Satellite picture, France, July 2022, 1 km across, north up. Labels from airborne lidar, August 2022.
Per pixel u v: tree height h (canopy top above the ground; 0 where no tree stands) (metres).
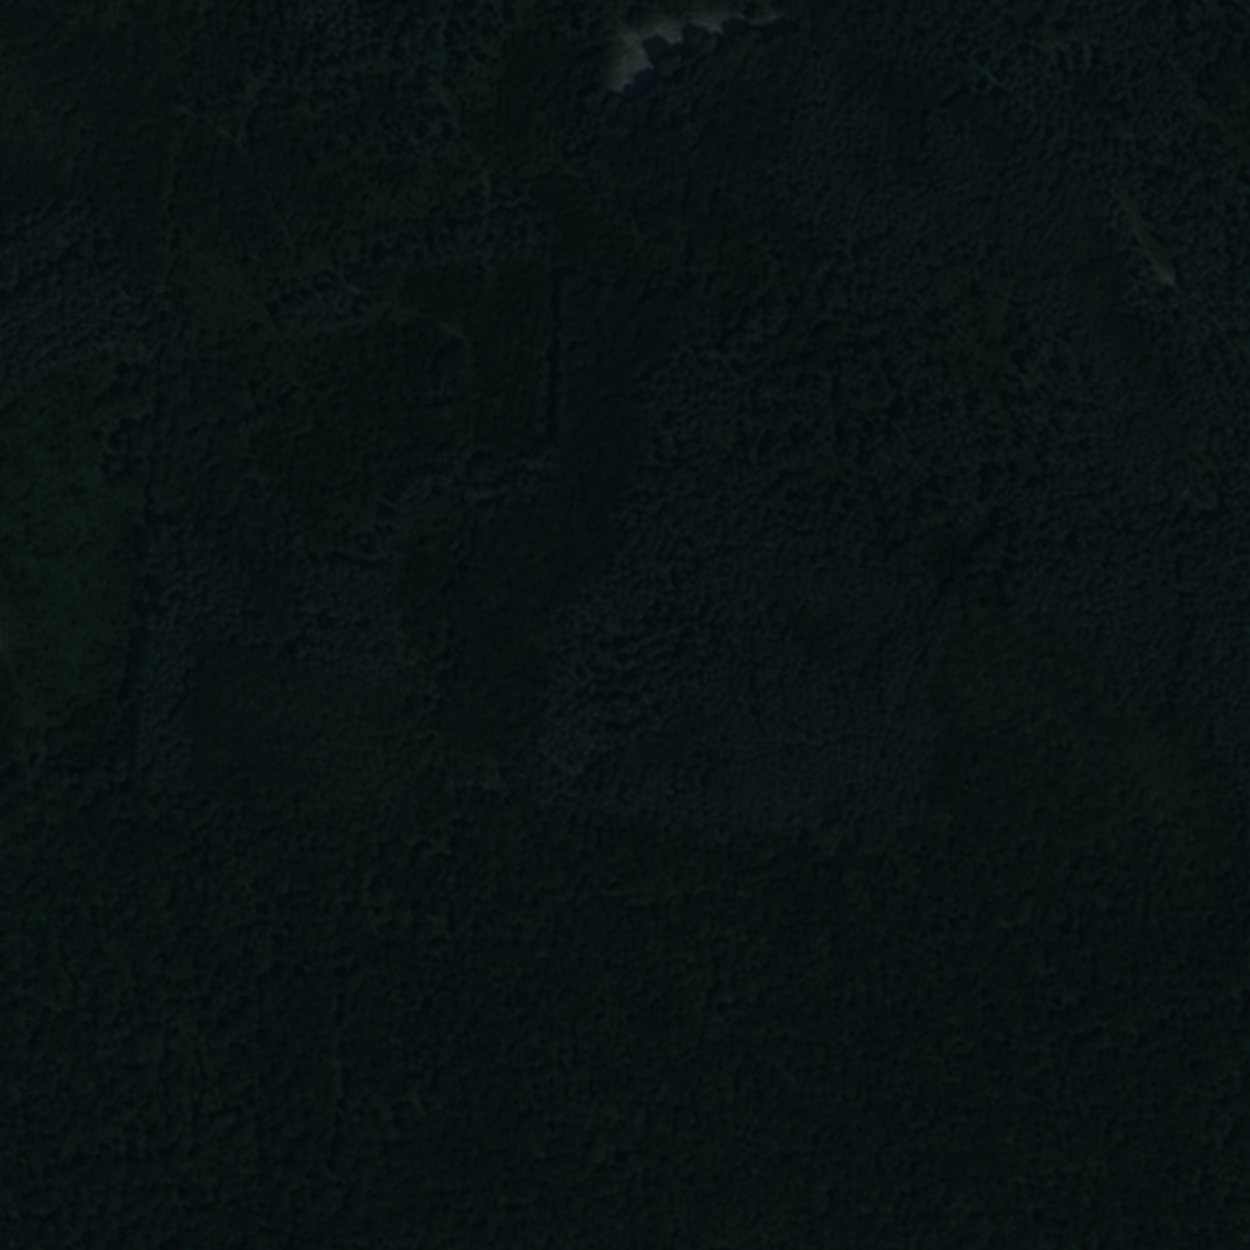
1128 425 23
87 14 18
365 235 9
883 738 26
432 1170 19
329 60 9
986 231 24
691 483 18
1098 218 26
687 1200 18
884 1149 18
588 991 22
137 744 27
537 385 9
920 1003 20
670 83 22
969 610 19
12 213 17
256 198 13
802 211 25
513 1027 18
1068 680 17
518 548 20
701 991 20
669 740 14
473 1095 20
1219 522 30
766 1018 22
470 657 23
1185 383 34
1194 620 34
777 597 18
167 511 20
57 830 18
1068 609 30
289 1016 22
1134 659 29
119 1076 19
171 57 17
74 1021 20
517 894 14
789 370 13
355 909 18
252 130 15
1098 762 12
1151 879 20
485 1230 20
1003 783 22
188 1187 22
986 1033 16
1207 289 24
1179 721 24
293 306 22
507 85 7
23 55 13
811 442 27
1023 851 20
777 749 26
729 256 11
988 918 18
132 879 17
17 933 19
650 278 9
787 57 21
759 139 20
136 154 19
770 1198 21
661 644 27
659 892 19
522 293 7
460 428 12
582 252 7
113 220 17
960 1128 19
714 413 24
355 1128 20
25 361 19
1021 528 28
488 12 7
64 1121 15
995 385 11
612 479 22
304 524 8
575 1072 21
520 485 24
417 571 10
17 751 15
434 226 9
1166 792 11
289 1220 17
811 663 28
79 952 21
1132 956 19
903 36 28
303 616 26
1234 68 22
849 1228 21
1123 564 30
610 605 23
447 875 18
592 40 9
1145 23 34
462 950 17
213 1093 19
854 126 28
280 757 16
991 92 14
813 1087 22
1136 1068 14
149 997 20
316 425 7
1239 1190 20
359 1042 20
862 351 24
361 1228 17
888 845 20
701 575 25
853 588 27
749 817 26
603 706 18
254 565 22
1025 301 23
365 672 22
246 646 18
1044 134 23
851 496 23
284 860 18
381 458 7
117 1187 21
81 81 15
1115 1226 24
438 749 10
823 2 25
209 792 17
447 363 21
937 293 27
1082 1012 19
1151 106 32
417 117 10
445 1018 19
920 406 27
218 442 17
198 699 23
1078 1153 20
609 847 20
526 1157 20
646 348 25
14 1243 21
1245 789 32
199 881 21
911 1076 18
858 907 17
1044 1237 19
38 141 10
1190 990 22
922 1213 17
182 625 28
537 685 23
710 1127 20
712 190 11
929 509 22
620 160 19
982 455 23
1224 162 8
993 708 9
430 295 8
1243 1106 21
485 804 23
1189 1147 18
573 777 16
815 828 20
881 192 28
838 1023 19
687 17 8
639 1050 22
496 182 7
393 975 19
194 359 16
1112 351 26
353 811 12
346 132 11
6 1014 23
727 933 13
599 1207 21
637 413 23
